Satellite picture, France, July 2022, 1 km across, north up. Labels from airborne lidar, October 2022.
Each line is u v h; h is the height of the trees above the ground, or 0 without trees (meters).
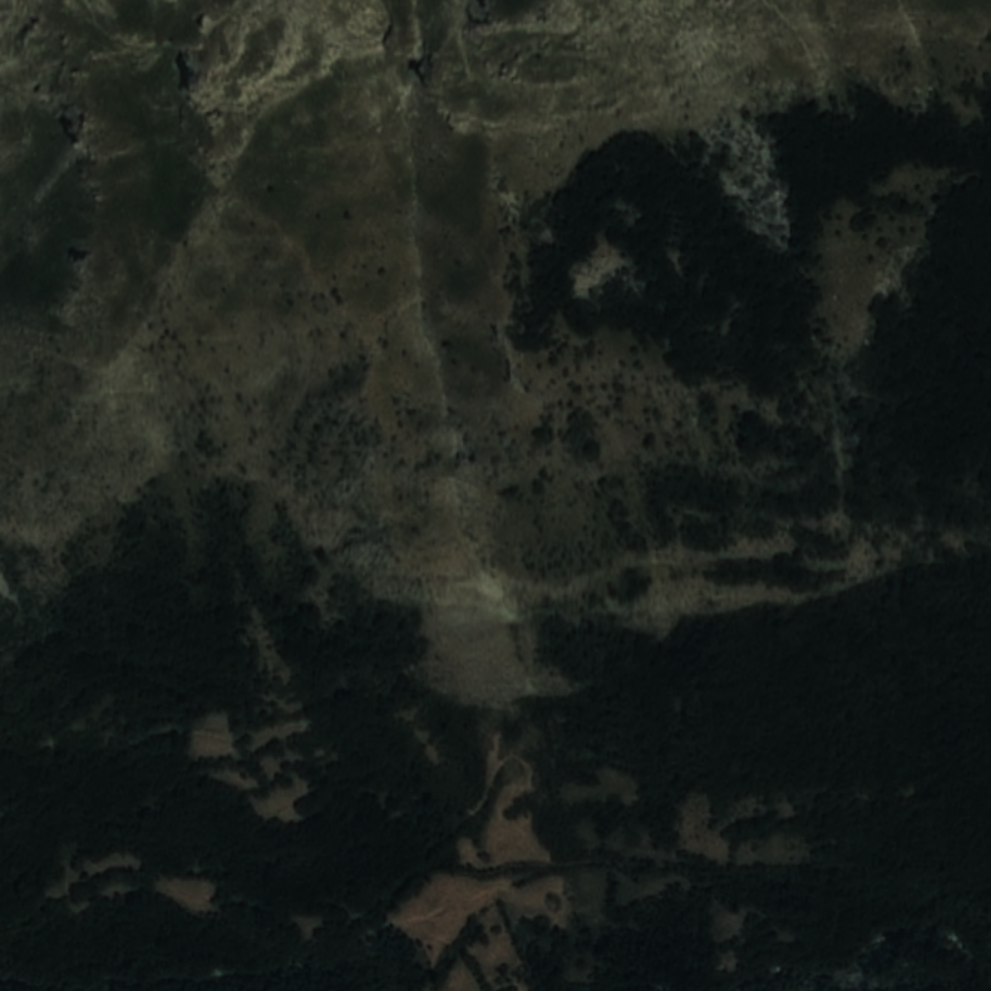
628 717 8
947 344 22
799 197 13
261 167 0
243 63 0
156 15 0
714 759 10
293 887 20
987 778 12
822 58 7
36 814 16
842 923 18
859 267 0
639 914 8
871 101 9
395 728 13
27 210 0
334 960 11
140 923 20
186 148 0
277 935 11
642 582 8
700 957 10
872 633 15
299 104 0
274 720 9
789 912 9
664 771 8
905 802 10
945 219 12
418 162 0
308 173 0
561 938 7
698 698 7
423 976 12
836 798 7
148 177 0
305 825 13
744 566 8
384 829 18
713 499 8
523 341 10
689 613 17
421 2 0
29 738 13
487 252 0
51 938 20
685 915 11
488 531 0
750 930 11
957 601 26
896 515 10
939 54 0
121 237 0
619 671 19
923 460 19
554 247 9
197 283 0
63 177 0
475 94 0
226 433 0
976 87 9
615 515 8
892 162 11
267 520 0
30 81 0
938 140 10
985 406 15
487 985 6
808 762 14
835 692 14
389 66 0
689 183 11
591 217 10
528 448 6
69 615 14
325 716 9
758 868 13
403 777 18
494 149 0
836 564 9
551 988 13
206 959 19
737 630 19
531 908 0
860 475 15
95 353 0
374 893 15
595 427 7
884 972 13
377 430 6
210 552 7
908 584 20
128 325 0
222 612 16
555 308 8
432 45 0
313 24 0
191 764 11
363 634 14
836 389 15
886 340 16
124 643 14
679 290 9
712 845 0
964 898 10
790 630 25
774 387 11
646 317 14
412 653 10
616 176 9
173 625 15
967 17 0
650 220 13
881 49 0
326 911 10
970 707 13
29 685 11
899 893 10
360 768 12
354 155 0
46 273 0
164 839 10
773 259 9
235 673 15
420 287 0
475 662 0
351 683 12
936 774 14
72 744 10
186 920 16
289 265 0
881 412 11
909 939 15
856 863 15
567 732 10
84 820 12
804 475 10
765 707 10
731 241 16
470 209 0
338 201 0
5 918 8
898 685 15
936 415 15
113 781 16
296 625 18
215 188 0
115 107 0
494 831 0
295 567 6
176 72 0
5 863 16
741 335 12
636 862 10
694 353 10
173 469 0
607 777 0
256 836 15
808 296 9
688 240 11
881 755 17
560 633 12
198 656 12
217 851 15
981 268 22
